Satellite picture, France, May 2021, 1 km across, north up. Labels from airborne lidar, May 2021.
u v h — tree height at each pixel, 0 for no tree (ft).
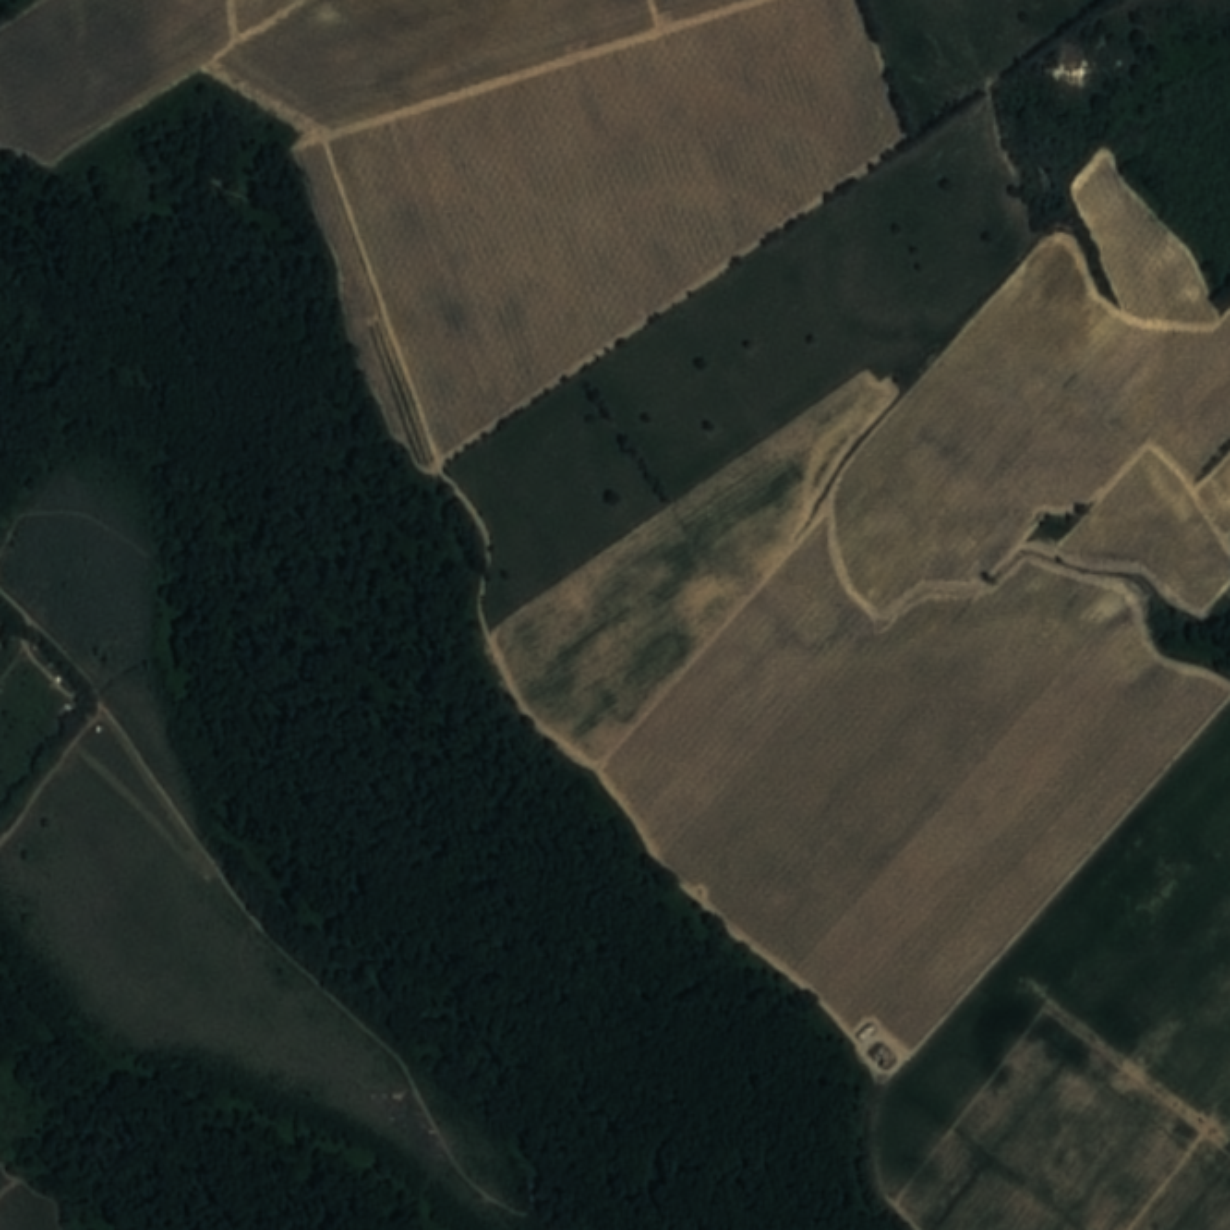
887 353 0
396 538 85
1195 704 0
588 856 71
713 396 0
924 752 0
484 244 0
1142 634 0
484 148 0
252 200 33
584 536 0
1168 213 24
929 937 0
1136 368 0
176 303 37
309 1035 0
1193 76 21
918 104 0
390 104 0
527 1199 24
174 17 0
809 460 0
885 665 0
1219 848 0
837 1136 64
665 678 0
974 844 0
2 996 62
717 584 0
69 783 0
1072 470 0
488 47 0
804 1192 75
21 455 82
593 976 79
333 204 0
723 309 0
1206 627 55
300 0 0
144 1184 85
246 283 65
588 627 0
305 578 99
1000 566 0
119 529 0
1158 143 23
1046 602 0
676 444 0
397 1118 0
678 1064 82
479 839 88
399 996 85
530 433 0
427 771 111
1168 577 0
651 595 0
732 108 0
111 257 62
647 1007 79
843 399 0
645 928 77
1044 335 0
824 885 0
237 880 45
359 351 42
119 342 67
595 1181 76
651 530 0
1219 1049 0
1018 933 0
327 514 90
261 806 78
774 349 0
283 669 106
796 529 0
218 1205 88
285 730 85
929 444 0
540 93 0
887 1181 0
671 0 0
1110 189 0
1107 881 0
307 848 81
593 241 0
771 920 0
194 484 68
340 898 88
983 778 0
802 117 0
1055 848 0
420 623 86
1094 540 0
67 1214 46
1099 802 0
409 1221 76
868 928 0
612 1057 79
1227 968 0
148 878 0
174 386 66
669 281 0
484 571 52
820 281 0
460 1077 64
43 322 49
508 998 57
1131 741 0
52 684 0
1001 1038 0
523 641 0
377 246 0
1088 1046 0
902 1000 0
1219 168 20
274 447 86
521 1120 74
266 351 71
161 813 0
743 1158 61
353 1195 89
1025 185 23
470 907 83
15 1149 19
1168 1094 0
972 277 0
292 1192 71
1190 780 0
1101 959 0
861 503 0
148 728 0
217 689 76
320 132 0
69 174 17
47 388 70
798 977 0
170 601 50
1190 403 0
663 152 0
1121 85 25
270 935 33
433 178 0
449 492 44
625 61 0
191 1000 0
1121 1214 0
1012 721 0
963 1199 0
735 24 0
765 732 0
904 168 0
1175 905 0
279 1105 21
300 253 31
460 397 0
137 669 21
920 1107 0
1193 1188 0
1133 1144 0
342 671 79
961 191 0
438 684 110
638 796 0
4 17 44
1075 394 0
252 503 73
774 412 0
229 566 82
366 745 87
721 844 0
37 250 79
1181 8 20
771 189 0
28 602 0
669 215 0
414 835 101
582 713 0
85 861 0
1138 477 0
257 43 0
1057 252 0
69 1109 62
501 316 0
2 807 37
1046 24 0
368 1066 0
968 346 0
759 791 0
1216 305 31
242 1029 0
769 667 0
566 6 0
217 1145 85
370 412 66
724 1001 69
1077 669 0
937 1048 0
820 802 0
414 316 0
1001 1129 0
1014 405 0
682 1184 72
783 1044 78
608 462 0
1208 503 0
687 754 0
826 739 0
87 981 0
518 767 66
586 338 0
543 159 0
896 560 0
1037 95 19
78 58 0
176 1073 42
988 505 0
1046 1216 0
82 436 49
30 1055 54
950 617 0
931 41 0
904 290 0
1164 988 0
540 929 73
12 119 0
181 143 51
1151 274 0
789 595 0
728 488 0
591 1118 72
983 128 0
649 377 0
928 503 0
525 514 0
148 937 0
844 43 0
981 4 0
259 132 18
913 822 0
